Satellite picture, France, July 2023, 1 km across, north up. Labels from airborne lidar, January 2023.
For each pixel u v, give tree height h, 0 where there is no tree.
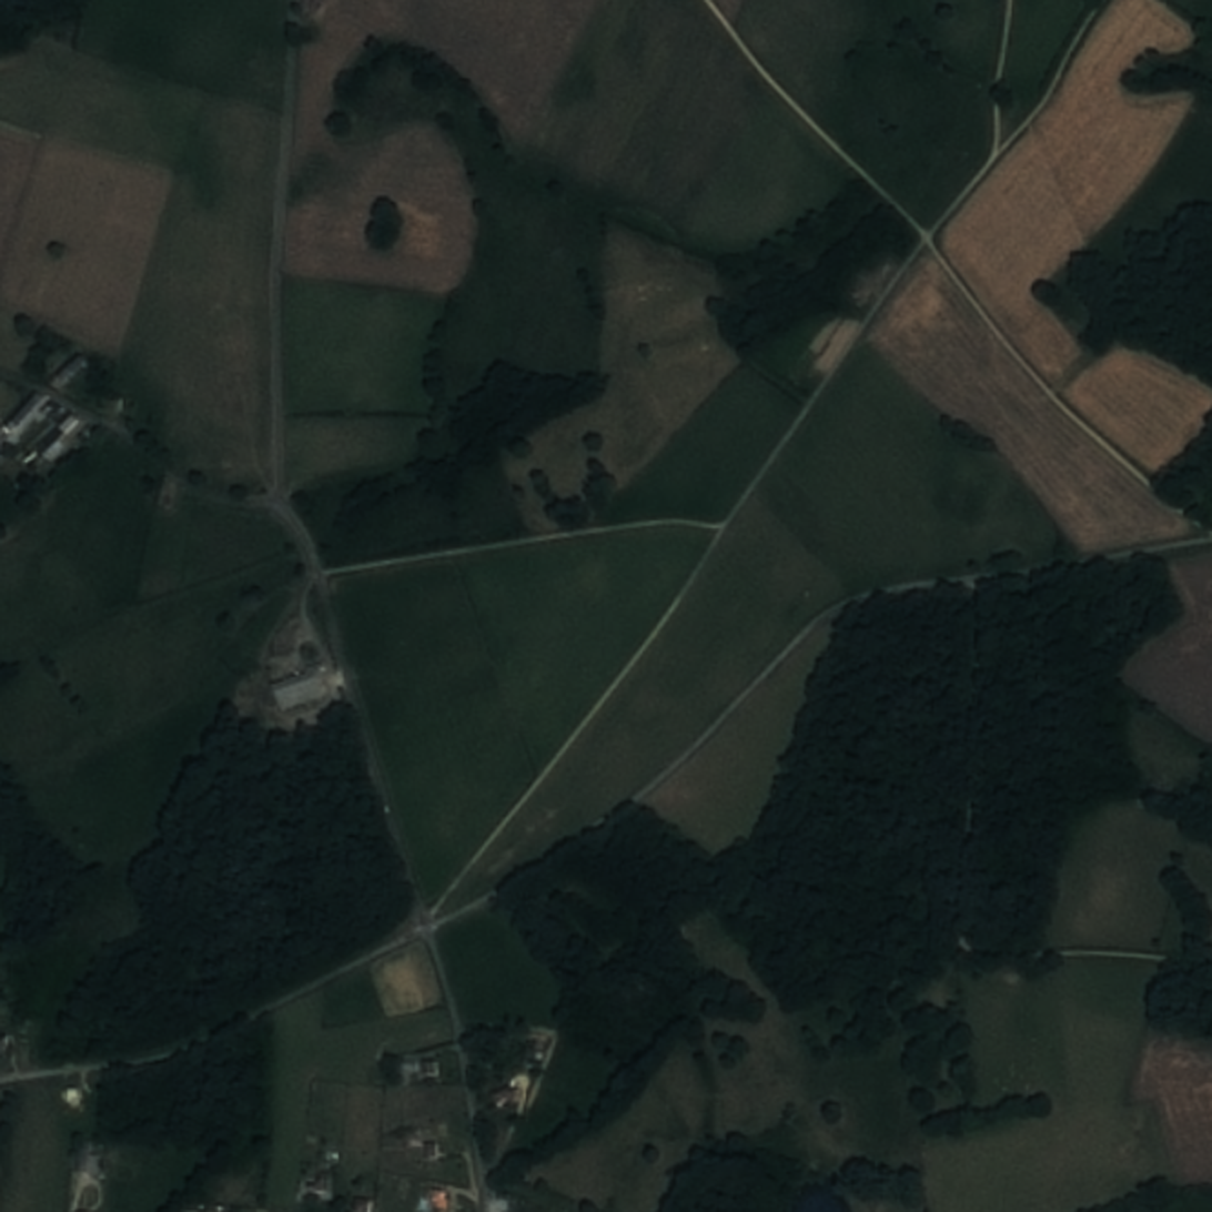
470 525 0
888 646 22
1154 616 22
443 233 0
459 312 0
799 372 0
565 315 0
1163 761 0
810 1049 12
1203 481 21
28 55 0
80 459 16
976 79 0
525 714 0
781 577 0
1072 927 0
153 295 0
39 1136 0
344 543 0
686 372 0
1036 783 18
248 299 0
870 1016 18
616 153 0
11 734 0
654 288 0
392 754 0
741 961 0
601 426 0
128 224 0
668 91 0
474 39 0
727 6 0
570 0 0
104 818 0
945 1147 0
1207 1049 0
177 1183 0
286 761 21
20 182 0
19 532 0
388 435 0
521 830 0
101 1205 0
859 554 0
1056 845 14
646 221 0
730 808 0
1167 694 0
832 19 0
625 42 0
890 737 11
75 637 0
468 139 0
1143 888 0
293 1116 0
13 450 14
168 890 26
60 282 0
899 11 0
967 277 0
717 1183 27
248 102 0
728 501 0
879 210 9
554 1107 0
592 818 0
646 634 0
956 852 20
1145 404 0
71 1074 0
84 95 0
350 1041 0
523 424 19
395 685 0
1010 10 0
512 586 0
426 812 0
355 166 0
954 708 23
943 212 0
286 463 0
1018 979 0
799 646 0
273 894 31
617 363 0
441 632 0
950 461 0
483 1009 0
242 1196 0
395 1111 0
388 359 0
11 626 0
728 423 0
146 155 0
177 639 0
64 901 18
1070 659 24
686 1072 0
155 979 13
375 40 17
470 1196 0
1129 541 0
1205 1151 0
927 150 0
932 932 12
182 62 0
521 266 0
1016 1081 0
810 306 7
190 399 0
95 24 0
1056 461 0
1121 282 13
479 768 0
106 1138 8
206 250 0
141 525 0
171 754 0
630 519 0
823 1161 0
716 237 0
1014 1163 0
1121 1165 0
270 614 0
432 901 0
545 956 24
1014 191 0
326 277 0
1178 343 17
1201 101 0
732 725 0
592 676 0
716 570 0
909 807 19
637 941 6
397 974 0
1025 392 0
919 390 0
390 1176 0
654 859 16
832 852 11
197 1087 10
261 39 0
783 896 27
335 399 0
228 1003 19
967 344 0
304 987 0
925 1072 21
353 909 20
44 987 0
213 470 0
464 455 12
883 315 0
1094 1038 0
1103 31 0
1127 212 0
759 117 0
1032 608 22
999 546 0
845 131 0
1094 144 0
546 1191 14
